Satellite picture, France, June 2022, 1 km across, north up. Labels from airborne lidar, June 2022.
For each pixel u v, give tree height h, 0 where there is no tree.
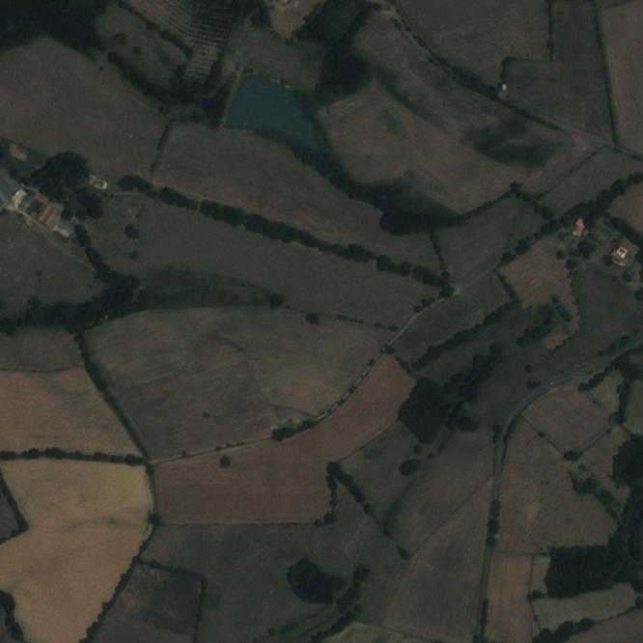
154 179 0
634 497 17
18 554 0
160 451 0
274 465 0
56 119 0
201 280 0
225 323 0
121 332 0
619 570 22
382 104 0
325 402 0
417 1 0
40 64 0
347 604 7
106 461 11
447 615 0
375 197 24
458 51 0
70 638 0
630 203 0
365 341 0
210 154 0
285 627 0
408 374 9
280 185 0
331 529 0
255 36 0
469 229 0
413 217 18
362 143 0
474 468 0
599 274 0
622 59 0
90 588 0
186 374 0
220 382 0
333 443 0
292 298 0
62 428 0
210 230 0
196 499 0
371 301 0
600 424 0
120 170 0
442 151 0
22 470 0
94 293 0
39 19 16
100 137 0
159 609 0
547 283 0
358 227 0
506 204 0
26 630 0
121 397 0
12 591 0
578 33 0
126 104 0
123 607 0
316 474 0
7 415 0
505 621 0
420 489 0
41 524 0
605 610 0
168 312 0
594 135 0
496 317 15
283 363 0
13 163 0
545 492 0
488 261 0
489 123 0
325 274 0
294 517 0
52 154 0
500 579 0
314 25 17
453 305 0
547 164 0
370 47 0
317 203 0
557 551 19
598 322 0
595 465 0
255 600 0
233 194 0
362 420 0
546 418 0
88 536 0
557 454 0
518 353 0
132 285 20
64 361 0
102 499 0
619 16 0
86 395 0
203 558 0
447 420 19
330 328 0
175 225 0
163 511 0
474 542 0
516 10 0
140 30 0
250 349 0
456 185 0
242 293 0
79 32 14
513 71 0
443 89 0
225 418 0
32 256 0
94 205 19
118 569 0
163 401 0
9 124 0
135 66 0
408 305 0
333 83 7
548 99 0
